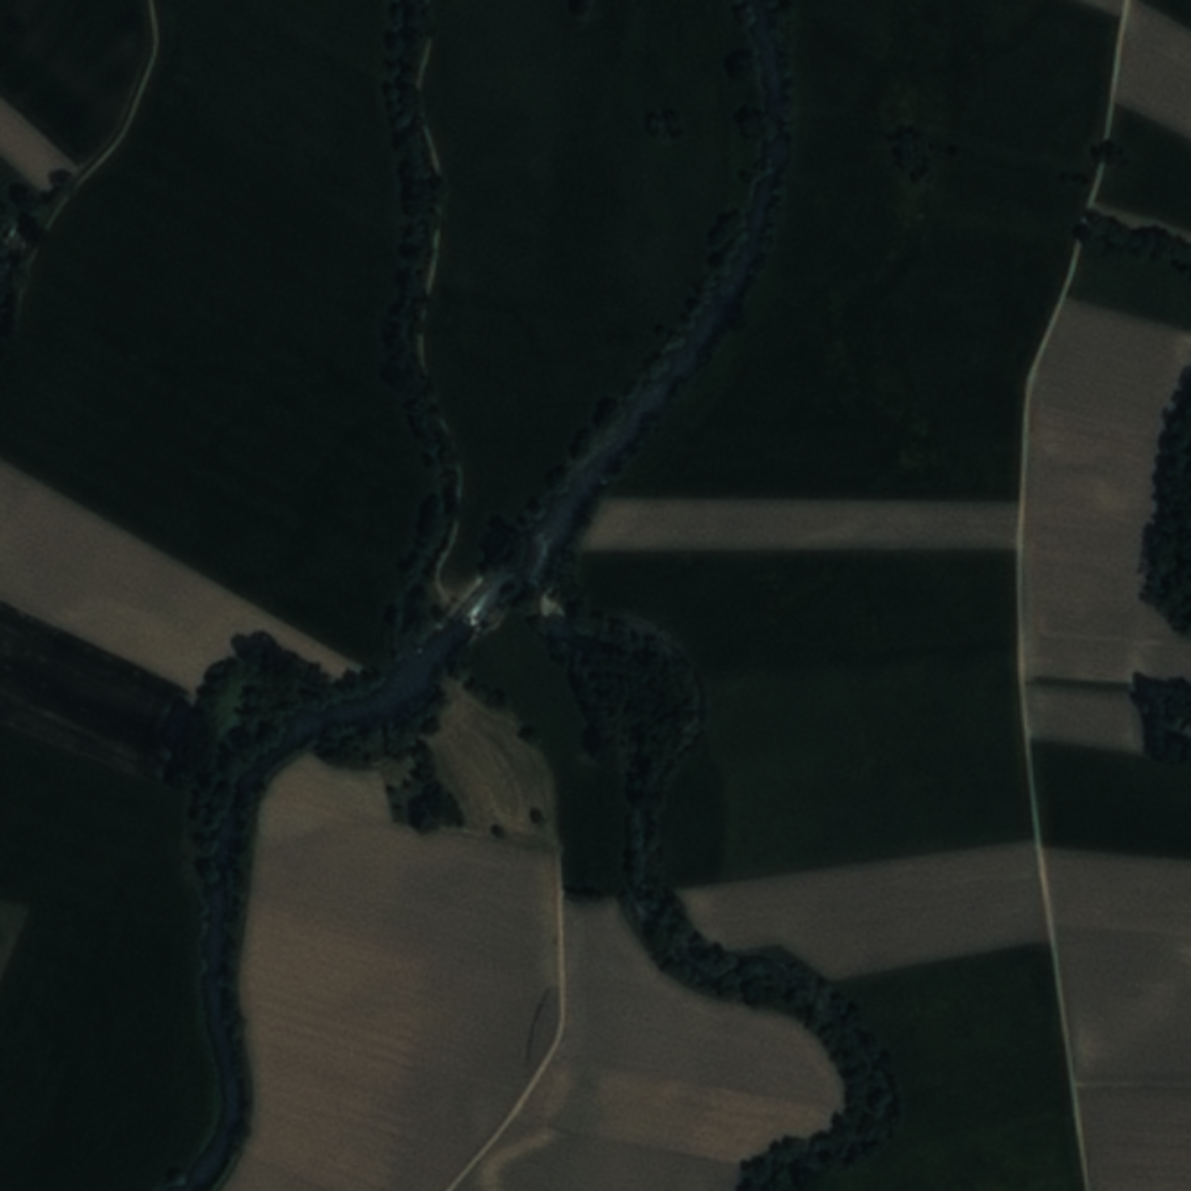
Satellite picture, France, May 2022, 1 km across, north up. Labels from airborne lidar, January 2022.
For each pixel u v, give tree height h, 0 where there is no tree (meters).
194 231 0
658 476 0
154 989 0
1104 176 0
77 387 0
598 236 0
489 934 0
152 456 0
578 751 0
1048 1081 0
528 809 0
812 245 0
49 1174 0
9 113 0
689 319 10
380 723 15
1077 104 0
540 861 0
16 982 0
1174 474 20
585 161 0
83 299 0
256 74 0
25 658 0
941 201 0
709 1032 0
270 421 0
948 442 0
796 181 0
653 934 12
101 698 0
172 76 0
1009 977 0
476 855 0
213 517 0
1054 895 0
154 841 0
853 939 0
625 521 0
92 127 0
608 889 0
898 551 0
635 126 0
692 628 0
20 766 0
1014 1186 0
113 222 0
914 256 0
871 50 0
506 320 0
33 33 0
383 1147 0
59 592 0
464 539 0
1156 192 0
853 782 0
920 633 0
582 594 10
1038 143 0
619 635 15
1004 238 0
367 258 0
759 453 0
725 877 0
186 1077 0
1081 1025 0
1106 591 0
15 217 0
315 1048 0
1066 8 0
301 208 0
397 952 0
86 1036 0
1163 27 0
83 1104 0
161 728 0
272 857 0
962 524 0
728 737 0
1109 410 0
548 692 0
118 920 0
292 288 0
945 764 0
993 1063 0
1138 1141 0
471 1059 0
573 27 0
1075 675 0
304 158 0
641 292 0
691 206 0
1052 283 0
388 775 0
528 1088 0
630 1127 0
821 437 0
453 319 0
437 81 0
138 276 0
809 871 0
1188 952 0
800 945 0
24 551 0
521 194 0
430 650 0
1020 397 0
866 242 0
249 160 0
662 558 0
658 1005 0
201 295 0
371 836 0
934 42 0
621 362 0
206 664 0
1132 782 0
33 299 0
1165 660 0
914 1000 0
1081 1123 0
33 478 0
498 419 0
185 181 0
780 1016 0
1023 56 0
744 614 0
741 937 0
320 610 0
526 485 0
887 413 0
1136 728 0
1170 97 0
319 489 0
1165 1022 0
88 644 0
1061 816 0
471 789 0
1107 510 0
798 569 0
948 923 0
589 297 0
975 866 0
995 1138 0
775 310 0
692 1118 0
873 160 0
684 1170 0
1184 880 0
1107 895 0
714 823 0
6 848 0
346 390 0
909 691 0
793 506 0
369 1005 0
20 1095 0
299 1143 0
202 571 0
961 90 0
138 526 0
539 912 0
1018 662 0
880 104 0
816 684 0
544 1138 0
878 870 0
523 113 0
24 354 0
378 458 0
